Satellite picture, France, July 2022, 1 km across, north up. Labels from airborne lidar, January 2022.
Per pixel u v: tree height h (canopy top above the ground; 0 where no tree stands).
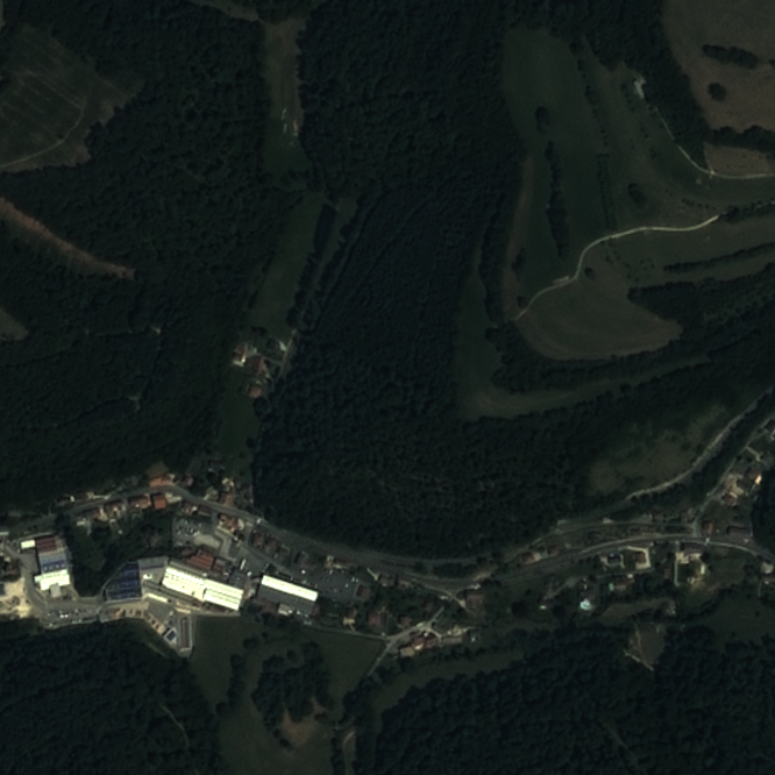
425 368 16
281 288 0
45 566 0
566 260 7
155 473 0
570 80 0
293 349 0
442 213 20
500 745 24
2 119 22
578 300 0
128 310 9
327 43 25
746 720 22
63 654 27
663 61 16
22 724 24
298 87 0
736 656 28
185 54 28
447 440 22
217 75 32
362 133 25
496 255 20
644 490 0
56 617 0
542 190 0
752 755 24
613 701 23
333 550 0
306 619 0
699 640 24
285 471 30
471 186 16
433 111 27
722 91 15
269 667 13
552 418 22
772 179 0
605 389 0
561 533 0
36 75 20
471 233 16
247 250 32
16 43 18
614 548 0
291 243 0
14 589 0
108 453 22
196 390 19
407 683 0
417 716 23
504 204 24
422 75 14
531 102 0
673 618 8
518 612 18
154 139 27
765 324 22
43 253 18
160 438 22
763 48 0
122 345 11
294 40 0
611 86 0
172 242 28
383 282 15
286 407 12
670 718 32
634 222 0
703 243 0
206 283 30
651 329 0
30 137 17
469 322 0
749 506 0
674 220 0
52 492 20
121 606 0
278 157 0
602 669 25
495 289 15
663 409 15
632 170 0
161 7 8
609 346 0
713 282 11
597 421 21
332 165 31
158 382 18
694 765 31
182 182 29
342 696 0
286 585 0
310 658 14
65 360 15
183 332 16
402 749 23
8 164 17
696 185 0
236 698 19
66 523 19
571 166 0
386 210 18
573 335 0
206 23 26
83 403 16
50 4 16
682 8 0
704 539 0
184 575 0
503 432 23
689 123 16
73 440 17
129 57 21
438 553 19
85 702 22
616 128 0
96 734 21
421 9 13
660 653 0
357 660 0
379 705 0
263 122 26
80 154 16
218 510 0
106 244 27
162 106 22
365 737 25
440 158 22
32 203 28
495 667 0
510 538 24
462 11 18
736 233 0
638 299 19
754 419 18
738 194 0
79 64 20
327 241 32
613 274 0
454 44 26
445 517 25
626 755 30
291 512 29
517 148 14
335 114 28
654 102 15
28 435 16
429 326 15
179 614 0
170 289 30
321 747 0
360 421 26
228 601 0
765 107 0
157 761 31
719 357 22
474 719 31
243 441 0
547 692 26
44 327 14
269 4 30
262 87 28
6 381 12
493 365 0
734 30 0
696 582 0
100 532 14
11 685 33
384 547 14
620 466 0
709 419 0
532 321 0
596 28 16
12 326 0
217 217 26
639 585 9
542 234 0
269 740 0
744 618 0
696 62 0
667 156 0
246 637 0
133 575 0
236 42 25
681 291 20
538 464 9
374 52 27
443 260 13
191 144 22
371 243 14
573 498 24
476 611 0
